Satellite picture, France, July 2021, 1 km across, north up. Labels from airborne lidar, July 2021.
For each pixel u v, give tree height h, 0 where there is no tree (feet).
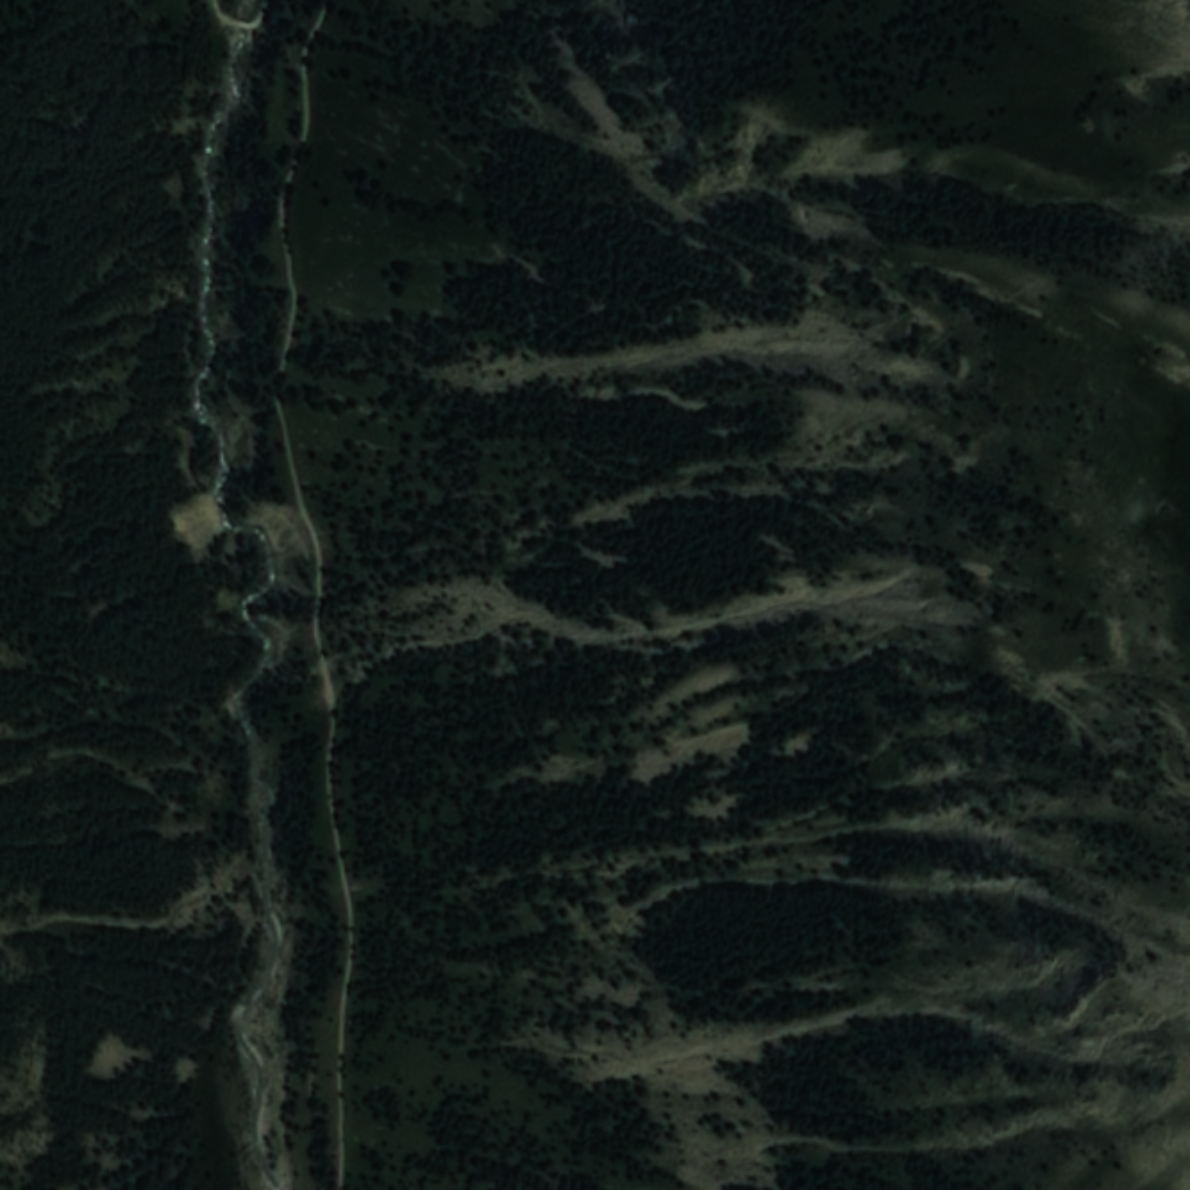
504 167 26
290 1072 25
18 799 47
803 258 30
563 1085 30
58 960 59
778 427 31
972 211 58
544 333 40
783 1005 33
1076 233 26
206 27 53
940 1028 25
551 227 39
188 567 73
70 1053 58
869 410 0
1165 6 0
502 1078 0
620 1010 34
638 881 42
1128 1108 0
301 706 0
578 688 50
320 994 19
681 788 35
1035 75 0
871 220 25
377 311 0
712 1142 0
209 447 69
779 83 40
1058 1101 0
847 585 0
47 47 88
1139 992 0
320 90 0
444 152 0
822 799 27
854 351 0
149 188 51
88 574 71
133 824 57
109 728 52
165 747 37
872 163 0
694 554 34
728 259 37
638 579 19
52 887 54
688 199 0
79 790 55
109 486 70
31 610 43
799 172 0
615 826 53
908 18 50
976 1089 0
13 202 77
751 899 42
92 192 65
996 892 0
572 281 40
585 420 42
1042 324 0
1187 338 0
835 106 0
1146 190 0
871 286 36
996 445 0
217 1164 0
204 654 31
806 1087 40
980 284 0
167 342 65
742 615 0
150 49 50
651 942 39
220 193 27
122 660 70
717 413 56
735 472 41
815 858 0
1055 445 0
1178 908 0
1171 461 0
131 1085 61
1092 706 0
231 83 0
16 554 50
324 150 0
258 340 32
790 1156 35
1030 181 0
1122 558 0
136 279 56
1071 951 0
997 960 0
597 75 31
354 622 34
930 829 0
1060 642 0
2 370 55
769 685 23
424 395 28
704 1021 31
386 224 0
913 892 0
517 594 36
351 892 0
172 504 38
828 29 0
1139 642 0
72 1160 61
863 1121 43
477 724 38
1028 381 0
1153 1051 0
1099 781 21
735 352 0
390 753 29
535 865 22
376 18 46
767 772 41
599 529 42
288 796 50
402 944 24
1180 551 0
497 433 35
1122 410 0
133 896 44
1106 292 0
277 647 0
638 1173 21
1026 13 0
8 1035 30
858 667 28
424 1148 0
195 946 57
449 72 45
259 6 0
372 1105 19
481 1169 25
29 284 80
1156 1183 0
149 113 58
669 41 27
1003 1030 0
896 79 29
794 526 21
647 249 51
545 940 38
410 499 36
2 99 75
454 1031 26
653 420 40
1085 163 0
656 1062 0
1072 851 0
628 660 37
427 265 0
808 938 34
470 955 29
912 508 0
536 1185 44
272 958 0
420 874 36
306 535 0
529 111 23
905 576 0
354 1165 0
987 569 0
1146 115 0
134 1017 63
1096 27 0
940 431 0
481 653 43
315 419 0
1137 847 27
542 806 23
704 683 0
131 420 51
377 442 0
